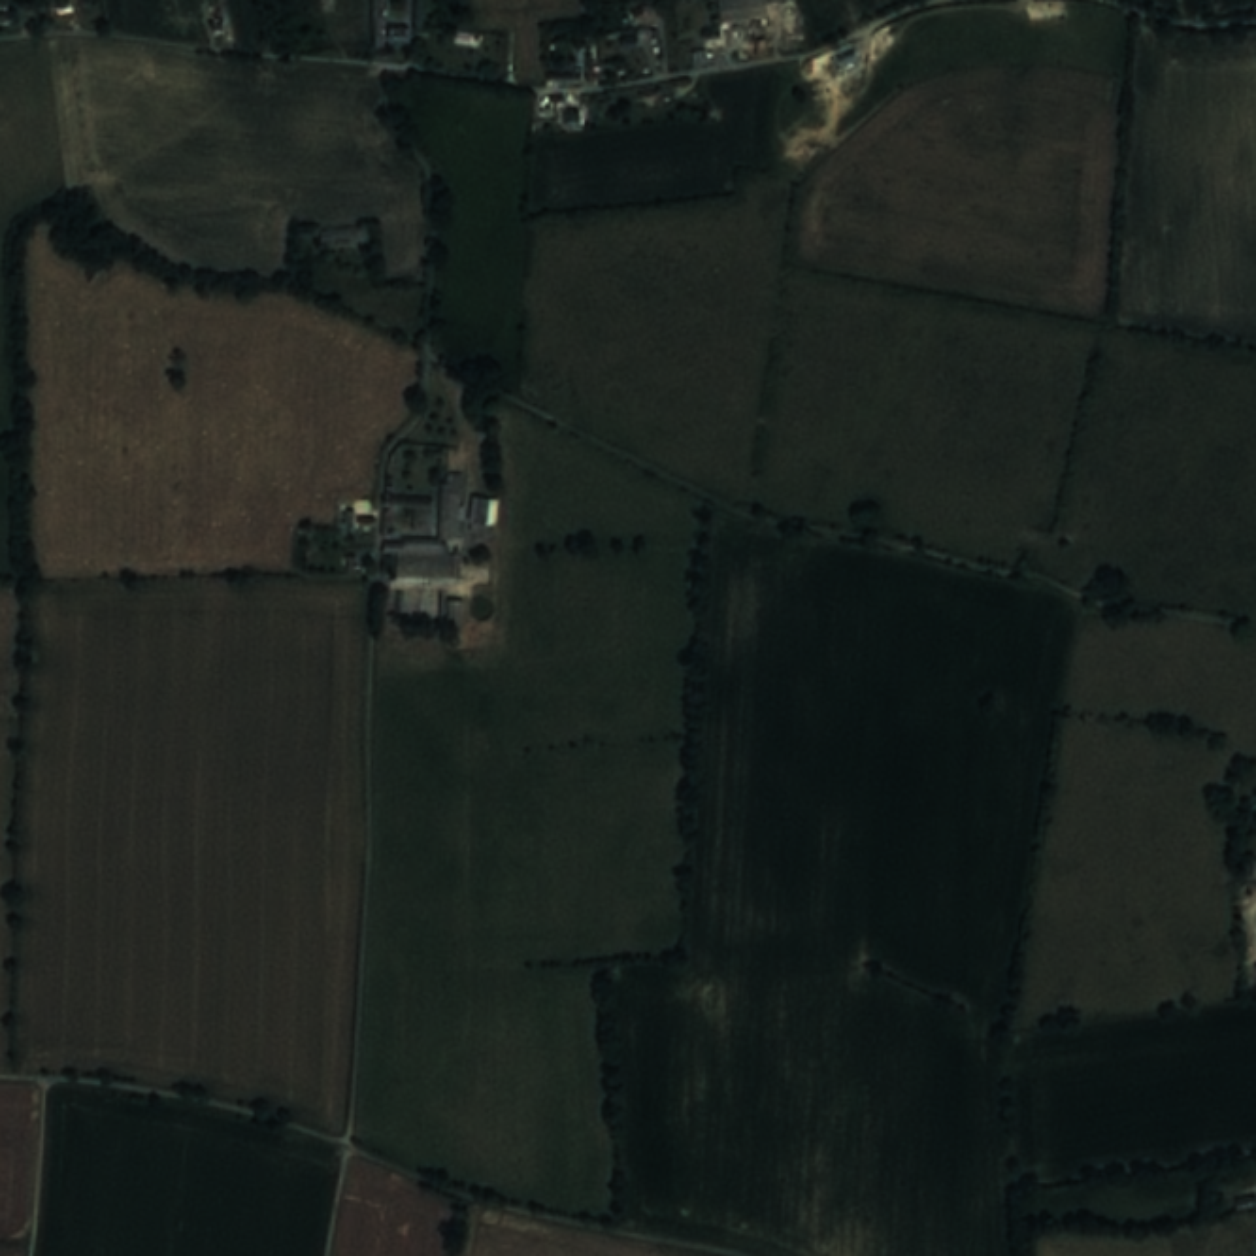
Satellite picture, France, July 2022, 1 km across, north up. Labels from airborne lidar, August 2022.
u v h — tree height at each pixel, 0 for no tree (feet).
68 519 0
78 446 0
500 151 0
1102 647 0
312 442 0
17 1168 0
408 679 0
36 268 0
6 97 0
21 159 0
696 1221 0
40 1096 0
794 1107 0
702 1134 0
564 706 0
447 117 0
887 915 0
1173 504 0
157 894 0
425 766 0
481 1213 0
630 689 0
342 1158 0
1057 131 0
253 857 0
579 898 0
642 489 0
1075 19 0
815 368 0
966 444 0
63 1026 0
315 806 0
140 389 0
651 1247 0
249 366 0
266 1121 31
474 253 0
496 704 0
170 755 0
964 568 22
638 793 0
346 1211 0
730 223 0
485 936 0
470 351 0
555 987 0
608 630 0
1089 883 0
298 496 0
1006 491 0
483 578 0
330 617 0
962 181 0
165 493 0
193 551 0
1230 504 0
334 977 0
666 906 0
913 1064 0
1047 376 0
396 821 0
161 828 0
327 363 0
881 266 0
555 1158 0
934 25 0
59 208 37
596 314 0
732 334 0
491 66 24
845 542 24
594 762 0
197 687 0
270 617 0
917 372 0
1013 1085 36
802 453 0
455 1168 0
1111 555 0
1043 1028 38
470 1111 0
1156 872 0
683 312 0
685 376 0
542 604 0
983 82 0
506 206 0
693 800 70
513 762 0
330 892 0
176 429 0
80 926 0
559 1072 0
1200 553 0
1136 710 0
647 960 27
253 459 0
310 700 0
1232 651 0
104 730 0
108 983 0
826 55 0
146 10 0
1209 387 0
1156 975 0
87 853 0
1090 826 0
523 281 0
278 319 0
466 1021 0
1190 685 0
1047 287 0
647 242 0
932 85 0
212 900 0
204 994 0
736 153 0
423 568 0
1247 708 0
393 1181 0
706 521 63
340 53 0
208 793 0
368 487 0
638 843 0
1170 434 0
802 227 0
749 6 0
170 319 0
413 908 0
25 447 37
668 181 0
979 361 0
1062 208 0
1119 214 34
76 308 0
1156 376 0
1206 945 0
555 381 0
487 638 0
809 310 0
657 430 0
